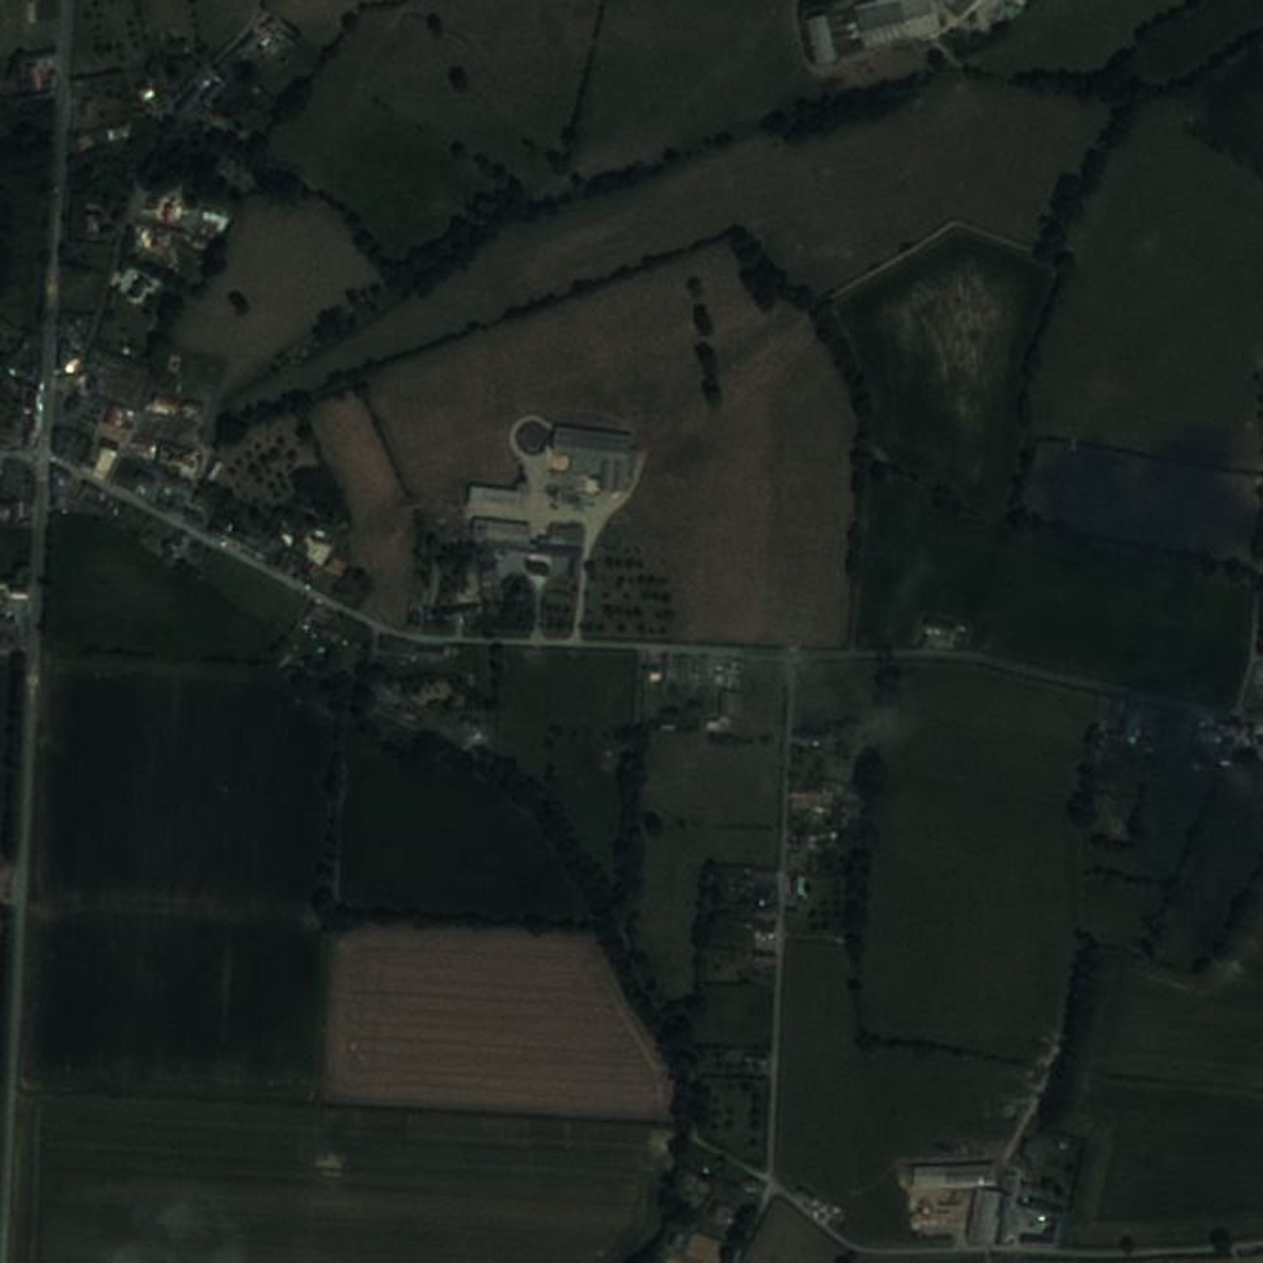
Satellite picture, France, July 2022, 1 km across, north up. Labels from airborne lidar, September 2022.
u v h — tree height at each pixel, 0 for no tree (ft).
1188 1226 0
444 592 19
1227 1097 0
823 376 0
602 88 0
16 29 0
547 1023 0
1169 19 41
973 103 0
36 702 0
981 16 0
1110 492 0
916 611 0
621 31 0
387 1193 0
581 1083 0
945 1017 0
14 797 33
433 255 46
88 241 0
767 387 0
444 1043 0
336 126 0
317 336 47
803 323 0
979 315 0
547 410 0
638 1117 0
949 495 30
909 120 0
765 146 0
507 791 43
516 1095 0
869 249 0
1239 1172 0
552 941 0
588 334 0
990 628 0
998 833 0
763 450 0
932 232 0
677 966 0
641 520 0
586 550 0
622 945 63
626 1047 0
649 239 0
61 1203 0
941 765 0
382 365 20
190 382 0
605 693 0
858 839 66
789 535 0
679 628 0
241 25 0
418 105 0
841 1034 0
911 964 0
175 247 0
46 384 0
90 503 0
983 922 0
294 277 0
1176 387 0
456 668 0
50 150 103
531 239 0
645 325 0
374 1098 0
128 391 0
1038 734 0
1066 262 57
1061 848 0
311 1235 0
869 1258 0
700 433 0
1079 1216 0
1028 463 52
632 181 43
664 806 0
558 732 46
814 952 0
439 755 54
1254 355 0
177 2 0
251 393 0
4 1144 0
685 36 0
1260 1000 0
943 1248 0
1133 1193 0
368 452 0
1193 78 36
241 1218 0
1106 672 0
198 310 0
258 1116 0
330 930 29
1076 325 0
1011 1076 0
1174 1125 0
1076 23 0
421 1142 0
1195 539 0
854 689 0
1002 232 0
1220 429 0
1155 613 0
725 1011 0
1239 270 0
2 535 0
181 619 0
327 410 0
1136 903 0
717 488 0
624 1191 0
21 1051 0
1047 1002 0
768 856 0
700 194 0
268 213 0
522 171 0
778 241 0
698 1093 52
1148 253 0
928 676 0
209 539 0
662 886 0
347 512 21
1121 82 49
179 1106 0
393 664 0
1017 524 58
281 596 0
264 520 18
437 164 0
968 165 0
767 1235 0
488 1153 0
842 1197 0
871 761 68
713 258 0
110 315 24
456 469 0
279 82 0
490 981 0
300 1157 0
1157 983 0
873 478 42
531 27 0
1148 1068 0
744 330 0
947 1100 0
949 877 0
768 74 0
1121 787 0
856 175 0
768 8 0
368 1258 0
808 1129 0
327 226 0
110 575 0
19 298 0
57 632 0
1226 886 0
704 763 0
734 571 0
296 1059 0
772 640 0
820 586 0
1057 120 0
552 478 0
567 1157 0
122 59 20
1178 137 0
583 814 0
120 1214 0
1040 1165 0
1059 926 0
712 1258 0
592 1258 0
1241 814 0
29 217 0
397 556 0
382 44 0
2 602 0
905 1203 0
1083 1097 0
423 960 0
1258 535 26
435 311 0
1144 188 0
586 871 59
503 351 0
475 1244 0
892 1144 0
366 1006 0
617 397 0
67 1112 0
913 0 0
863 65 0
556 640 0
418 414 0
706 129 0
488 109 0
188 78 22
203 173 95
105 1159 0
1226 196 0
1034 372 24
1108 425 0
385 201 0
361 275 0
